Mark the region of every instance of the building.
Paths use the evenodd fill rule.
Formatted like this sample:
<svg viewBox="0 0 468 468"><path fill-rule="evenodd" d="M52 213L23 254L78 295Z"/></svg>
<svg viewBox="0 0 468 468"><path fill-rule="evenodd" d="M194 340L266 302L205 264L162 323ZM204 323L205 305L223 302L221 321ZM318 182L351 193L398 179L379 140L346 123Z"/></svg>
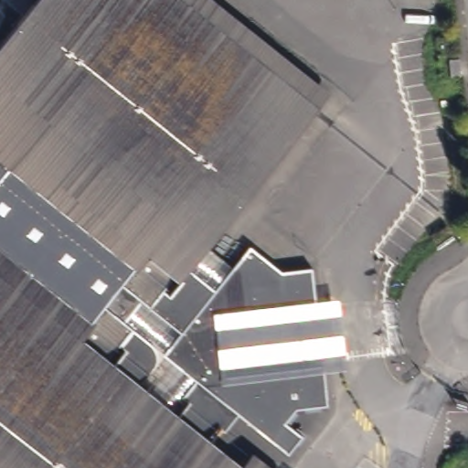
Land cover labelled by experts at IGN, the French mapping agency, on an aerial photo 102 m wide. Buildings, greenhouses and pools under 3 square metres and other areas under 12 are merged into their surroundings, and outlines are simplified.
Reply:
<svg viewBox="0 0 468 468"><path fill-rule="evenodd" d="M261 463L260 459L252 457L258 446L252 444L249 439L238 437L227 442L223 437L234 431L238 422L243 422L249 430L254 431L258 437L271 444L274 450L278 450L285 457L292 457L294 453L298 453L305 442L305 435L294 430L292 426L283 428L283 422L291 415L292 409L324 404L324 371L316 362L316 358L344 355L346 344L344 338L336 336L340 331L340 324L335 320L336 316L340 316L342 309L338 302L318 300L316 274L313 269L282 271L254 249L245 250L245 254L232 267L212 254L212 241L218 238L223 230L234 225L239 212L243 212L250 203L256 203L269 190L269 177L278 166L287 161L296 144L309 139L314 115L324 110L331 95L322 90L318 82L309 79L300 69L292 66L287 58L283 58L278 51L274 51L269 44L265 44L260 37L256 37L250 29L212 0L40 0L0 49L0 468L269 468L267 464Z"/></svg>

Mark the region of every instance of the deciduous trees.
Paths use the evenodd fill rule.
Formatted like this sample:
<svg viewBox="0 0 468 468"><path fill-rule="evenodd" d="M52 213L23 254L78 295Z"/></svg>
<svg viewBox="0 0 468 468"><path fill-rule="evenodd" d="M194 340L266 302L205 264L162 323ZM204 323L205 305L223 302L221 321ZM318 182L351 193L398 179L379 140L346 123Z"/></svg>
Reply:
<svg viewBox="0 0 468 468"><path fill-rule="evenodd" d="M441 113L442 122L452 124L457 133L468 135L468 102L459 91L450 95L446 101L448 104Z"/></svg>
<svg viewBox="0 0 468 468"><path fill-rule="evenodd" d="M464 221L459 227L453 225L450 229L444 229L448 238L455 238L459 243L468 243L468 221Z"/></svg>
<svg viewBox="0 0 468 468"><path fill-rule="evenodd" d="M468 448L455 453L452 459L444 464L444 468L468 468Z"/></svg>

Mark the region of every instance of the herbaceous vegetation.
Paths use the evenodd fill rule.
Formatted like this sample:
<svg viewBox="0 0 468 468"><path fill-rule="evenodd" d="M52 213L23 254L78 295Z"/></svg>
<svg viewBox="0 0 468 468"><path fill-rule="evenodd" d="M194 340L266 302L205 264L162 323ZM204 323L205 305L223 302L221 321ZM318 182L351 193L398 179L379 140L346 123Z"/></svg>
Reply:
<svg viewBox="0 0 468 468"><path fill-rule="evenodd" d="M455 20L455 0L437 0L433 5L435 24L428 27L422 40L422 73L424 84L431 95L435 99L442 97L446 101L450 95L459 91L461 86L453 82L450 71L450 62L457 60L461 55L463 33L461 24Z"/></svg>
<svg viewBox="0 0 468 468"><path fill-rule="evenodd" d="M448 192L444 192L444 216L430 223L422 238L415 241L399 265L395 265L389 280L388 296L389 300L400 300L411 274L417 271L420 263L428 260L442 241L448 238L444 229L450 229L453 225L459 227L464 221L468 221L468 135L457 133L452 124L442 122L437 133L450 163L450 188Z"/></svg>

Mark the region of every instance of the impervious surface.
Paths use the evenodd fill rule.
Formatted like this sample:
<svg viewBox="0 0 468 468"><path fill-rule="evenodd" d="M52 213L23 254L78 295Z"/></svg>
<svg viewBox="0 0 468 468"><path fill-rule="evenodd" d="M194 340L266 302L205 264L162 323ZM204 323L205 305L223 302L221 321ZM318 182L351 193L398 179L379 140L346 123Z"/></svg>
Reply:
<svg viewBox="0 0 468 468"><path fill-rule="evenodd" d="M40 0L0 0L0 49Z"/></svg>
<svg viewBox="0 0 468 468"><path fill-rule="evenodd" d="M450 71L453 82L461 86L459 91L468 102L468 0L455 0L455 20L461 24L463 33L461 55L457 60L450 62Z"/></svg>
<svg viewBox="0 0 468 468"><path fill-rule="evenodd" d="M422 238L430 223L444 216L444 192L448 192L450 188L450 163L437 133L442 122L441 113L448 104L446 101L442 97L435 99L431 95L424 84L422 73L422 40L428 27L435 24L433 5L437 0L212 0L250 29L256 37L260 37L265 44L269 44L274 51L278 51L283 58L287 58L292 66L300 69L309 79L318 82L322 90L331 95L324 110L314 115L309 139L296 144L287 161L278 166L269 177L269 190L256 203L250 203L243 212L239 212L234 225L223 230L218 238L212 241L212 254L232 267L245 254L245 250L254 249L282 271L313 269L316 274L318 300L338 302L342 309L340 316L336 316L335 320L340 324L340 331L336 336L344 338L346 344L344 355L316 358L316 362L324 371L324 404L292 409L291 415L283 422L283 428L292 426L294 430L305 435L305 442L298 453L294 453L292 457L285 457L278 450L274 450L271 444L258 437L254 431L249 430L243 422L238 422L234 431L223 437L227 442L238 437L249 439L252 444L258 446L252 457L260 459L261 463L267 464L269 468L444 468L444 464L452 459L455 453L468 448L468 243L459 243L455 238L448 238L442 241L428 260L420 263L417 271L411 274L400 300L389 300L388 296L389 280L395 265L399 265L415 241Z"/></svg>

